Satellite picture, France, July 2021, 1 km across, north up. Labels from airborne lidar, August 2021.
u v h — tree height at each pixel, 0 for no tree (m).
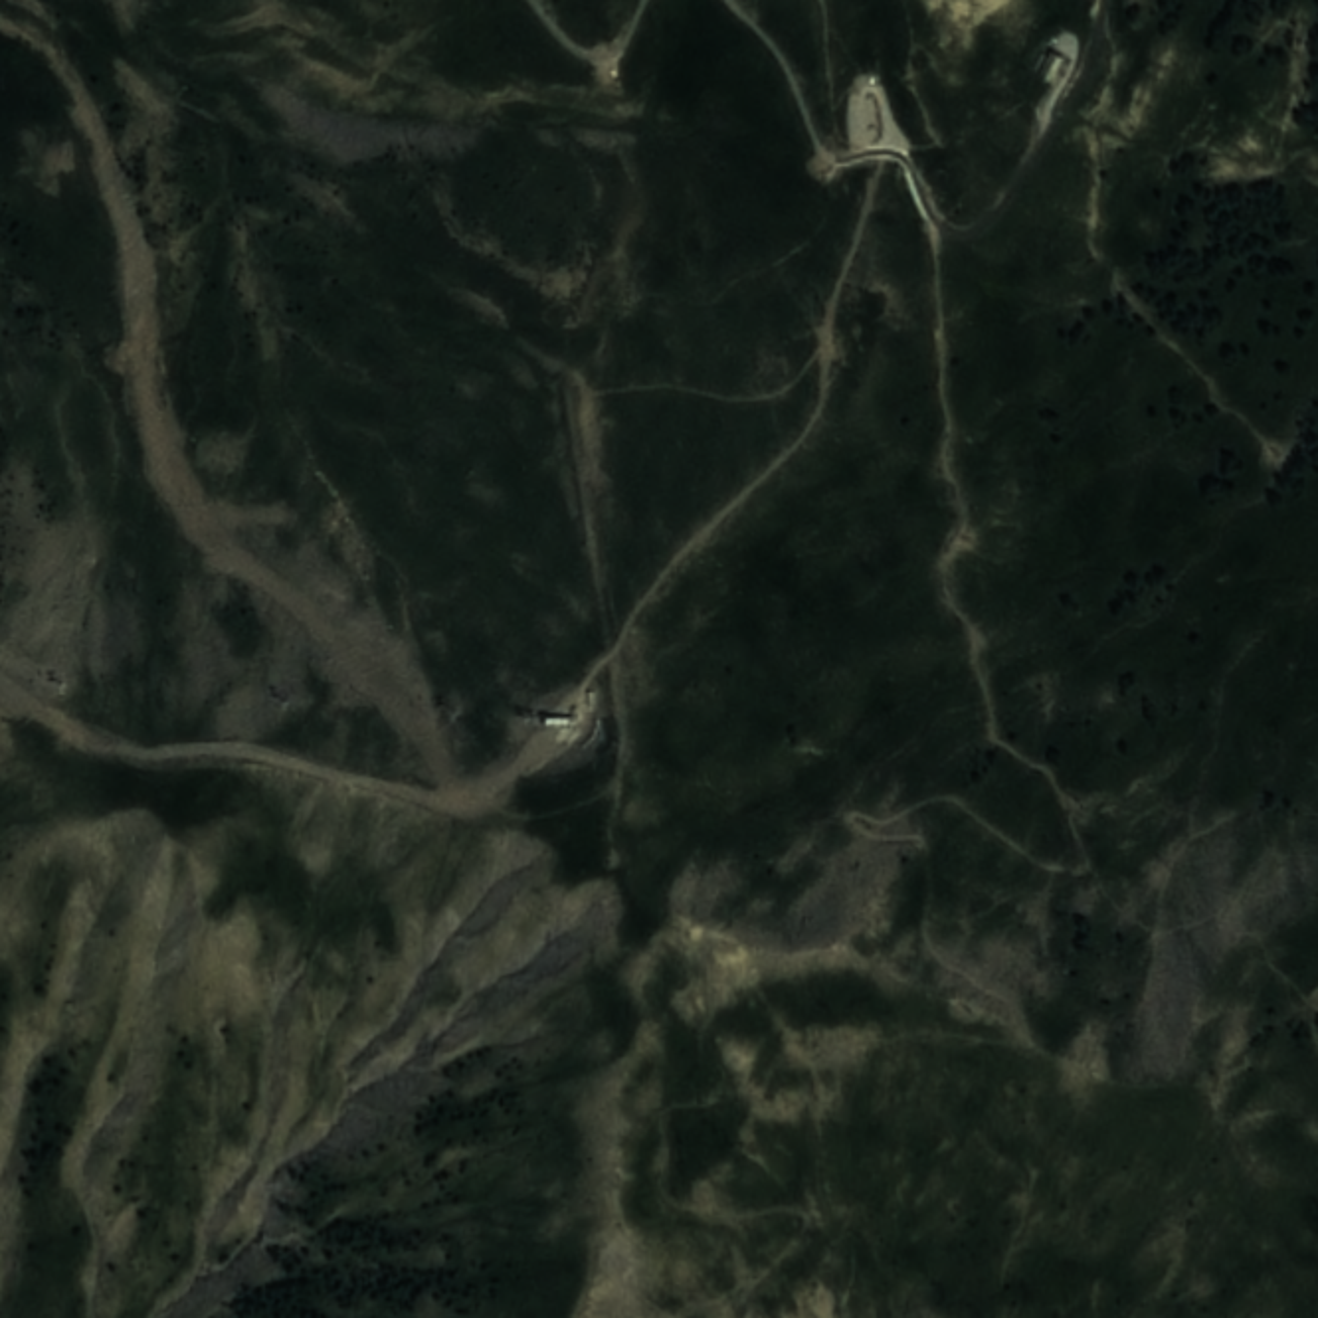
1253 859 0
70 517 0
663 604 0
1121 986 0
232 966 0
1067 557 0
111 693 0
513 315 0
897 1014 0
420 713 0
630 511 0
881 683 0
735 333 0
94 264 0
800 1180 0
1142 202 0
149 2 0
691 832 0
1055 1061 0
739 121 0
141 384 0
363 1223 8
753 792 0
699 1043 0
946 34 0
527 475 0
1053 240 0
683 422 0
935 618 0
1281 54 15
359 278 0
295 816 0
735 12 0
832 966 0
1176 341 0
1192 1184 0
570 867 0
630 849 0
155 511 0
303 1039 0
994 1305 0
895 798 0
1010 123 0
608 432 0
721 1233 0
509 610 0
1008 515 0
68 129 0
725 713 0
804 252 0
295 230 0
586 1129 0
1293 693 0
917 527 0
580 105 0
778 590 0
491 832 0
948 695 0
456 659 0
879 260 0
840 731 0
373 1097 0
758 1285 0
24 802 0
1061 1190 0
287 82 0
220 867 0
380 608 0
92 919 0
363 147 0
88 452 0
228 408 0
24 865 0
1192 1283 0
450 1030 0
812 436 0
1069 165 0
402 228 0
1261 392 0
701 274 0
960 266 0
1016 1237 0
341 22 0
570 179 0
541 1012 0
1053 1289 0
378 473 0
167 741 0
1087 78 0
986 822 0
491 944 0
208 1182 0
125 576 0
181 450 0
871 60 0
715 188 0
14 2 0
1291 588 0
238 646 0
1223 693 0
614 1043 0
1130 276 0
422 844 0
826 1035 0
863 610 0
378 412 0
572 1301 0
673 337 0
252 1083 0
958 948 0
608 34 0
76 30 0
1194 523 0
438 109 0
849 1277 0
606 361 0
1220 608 7
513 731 0
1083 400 0
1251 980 0
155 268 0
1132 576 14
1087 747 0
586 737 0
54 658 0
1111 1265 0
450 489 0
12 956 0
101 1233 0
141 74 0
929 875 0
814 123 0
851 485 0
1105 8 0
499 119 0
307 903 0
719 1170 0
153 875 0
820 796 0
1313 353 0
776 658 0
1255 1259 0
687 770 0
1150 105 0
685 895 0
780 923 0
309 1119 0
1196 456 0
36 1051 0
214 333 0
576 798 0
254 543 0
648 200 0
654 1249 0
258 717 0
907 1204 0
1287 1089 0
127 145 0
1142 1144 0
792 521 0
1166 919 0
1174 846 0
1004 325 0
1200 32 0
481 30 0
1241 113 0
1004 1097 0
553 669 0
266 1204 0
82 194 0
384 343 0
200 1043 0
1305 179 0
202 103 0
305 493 0
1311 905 0
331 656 0
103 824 0
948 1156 0
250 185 0
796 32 0
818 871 0
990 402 0
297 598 0
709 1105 0
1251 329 0
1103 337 0
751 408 0
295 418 0
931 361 0
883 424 0
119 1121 0
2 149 0
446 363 0
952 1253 0
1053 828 0
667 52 0
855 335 0
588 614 0
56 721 0
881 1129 0
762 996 0
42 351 0
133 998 0
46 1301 0
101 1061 0
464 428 0
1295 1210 0
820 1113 0
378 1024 0
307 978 0
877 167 0
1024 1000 0
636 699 0
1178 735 0
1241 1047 0
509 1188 0
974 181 0
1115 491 0
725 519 0
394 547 0
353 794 0
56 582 0
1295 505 0
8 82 0
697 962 0
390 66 0
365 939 0
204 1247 0
